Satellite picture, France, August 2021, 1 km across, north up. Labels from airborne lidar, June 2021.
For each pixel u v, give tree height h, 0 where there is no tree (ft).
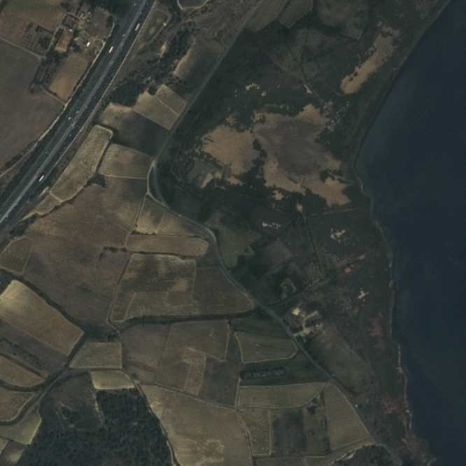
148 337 0
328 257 0
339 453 0
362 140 0
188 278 0
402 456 0
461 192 0
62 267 0
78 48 32
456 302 0
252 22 0
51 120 0
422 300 0
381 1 19
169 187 0
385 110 0
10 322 0
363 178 0
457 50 0
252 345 0
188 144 0
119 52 0
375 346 0
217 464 0
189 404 0
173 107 0
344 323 0
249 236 0
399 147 0
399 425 0
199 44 0
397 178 0
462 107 0
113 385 0
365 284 0
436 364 0
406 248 0
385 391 0
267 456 0
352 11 0
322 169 0
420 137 0
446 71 0
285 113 0
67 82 0
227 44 0
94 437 25
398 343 0
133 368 0
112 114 0
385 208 0
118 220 0
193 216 0
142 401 34
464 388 0
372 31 0
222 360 0
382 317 0
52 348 0
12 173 0
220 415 0
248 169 0
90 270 0
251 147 0
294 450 0
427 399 0
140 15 0
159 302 0
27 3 0
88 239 0
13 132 0
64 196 0
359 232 0
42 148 36
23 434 0
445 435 0
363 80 0
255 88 0
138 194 0
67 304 0
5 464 0
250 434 0
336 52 0
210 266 0
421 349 0
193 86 0
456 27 0
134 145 0
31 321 0
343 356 0
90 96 0
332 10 0
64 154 0
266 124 0
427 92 0
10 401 0
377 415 0
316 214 0
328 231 0
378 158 0
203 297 0
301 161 0
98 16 0
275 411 0
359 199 0
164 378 0
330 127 0
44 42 23
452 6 0
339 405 0
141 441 20
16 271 0
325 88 0
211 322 0
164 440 29
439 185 0
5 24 0
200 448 0
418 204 0
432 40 0
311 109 0
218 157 0
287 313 0
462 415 0
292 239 0
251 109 0
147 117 0
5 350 0
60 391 0
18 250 0
